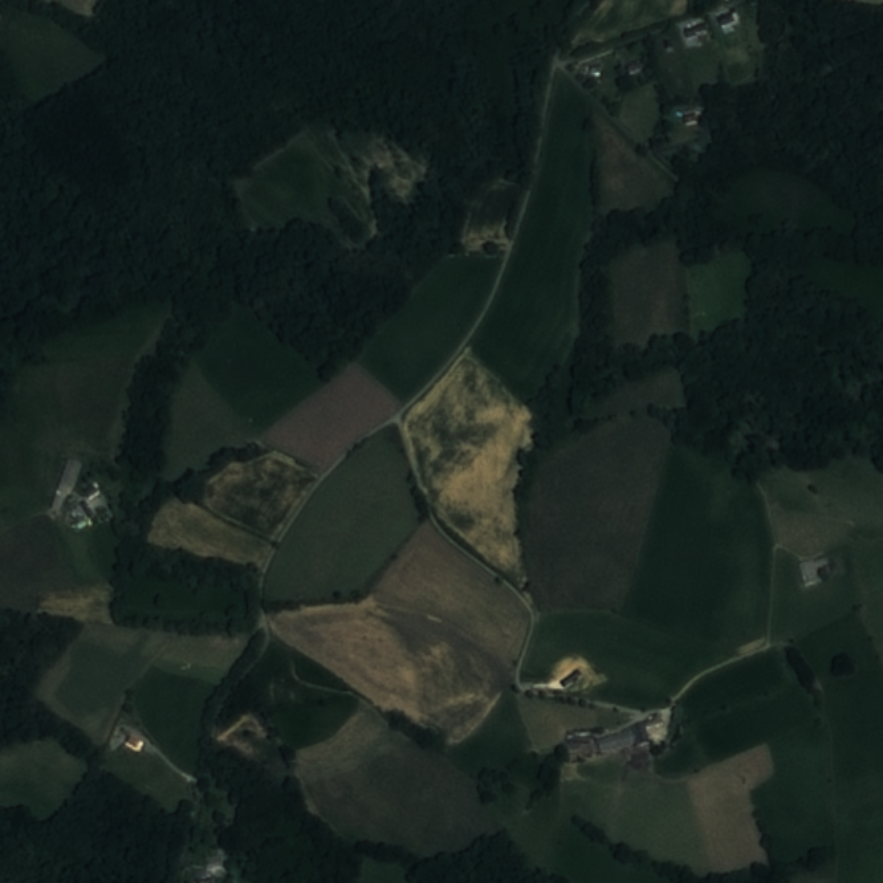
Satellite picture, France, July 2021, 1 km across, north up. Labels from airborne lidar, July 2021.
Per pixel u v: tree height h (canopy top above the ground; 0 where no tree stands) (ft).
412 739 32
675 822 0
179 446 0
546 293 0
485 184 31
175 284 65
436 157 46
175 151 71
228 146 66
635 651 0
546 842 0
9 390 66
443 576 0
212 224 35
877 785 0
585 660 0
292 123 70
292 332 54
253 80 77
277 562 0
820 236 54
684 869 24
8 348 35
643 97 0
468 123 38
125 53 68
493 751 0
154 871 76
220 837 49
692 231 40
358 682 0
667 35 28
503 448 0
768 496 0
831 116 83
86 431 0
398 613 0
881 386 31
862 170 43
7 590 0
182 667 0
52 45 0
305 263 52
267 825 57
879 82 71
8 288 73
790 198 0
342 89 88
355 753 0
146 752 0
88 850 78
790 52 73
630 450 0
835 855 33
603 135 0
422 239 40
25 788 0
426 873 92
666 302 0
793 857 0
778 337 94
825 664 0
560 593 0
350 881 32
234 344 0
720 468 0
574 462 0
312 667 0
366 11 65
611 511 0
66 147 106
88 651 0
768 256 74
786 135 78
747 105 36
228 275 69
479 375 0
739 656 0
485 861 76
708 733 0
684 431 70
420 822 0
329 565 0
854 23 63
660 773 0
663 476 0
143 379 31
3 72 37
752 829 0
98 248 40
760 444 100
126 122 84
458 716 0
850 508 0
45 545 0
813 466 86
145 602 0
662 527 0
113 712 0
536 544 0
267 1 87
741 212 0
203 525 0
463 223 27
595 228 44
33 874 41
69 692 0
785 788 0
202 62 64
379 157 0
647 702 0
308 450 0
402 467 0
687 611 0
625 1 0
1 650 81
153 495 26
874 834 0
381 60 77
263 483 0
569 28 46
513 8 0
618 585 0
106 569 0
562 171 0
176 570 55
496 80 0
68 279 75
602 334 69
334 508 0
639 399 0
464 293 0
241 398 0
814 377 92
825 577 45
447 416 0
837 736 0
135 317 0
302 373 0
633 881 0
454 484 0
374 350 0
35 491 0
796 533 0
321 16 85
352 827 0
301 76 73
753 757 0
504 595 0
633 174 0
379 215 64
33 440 0
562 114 0
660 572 0
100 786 63
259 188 0
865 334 98
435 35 41
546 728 0
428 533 0
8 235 61
